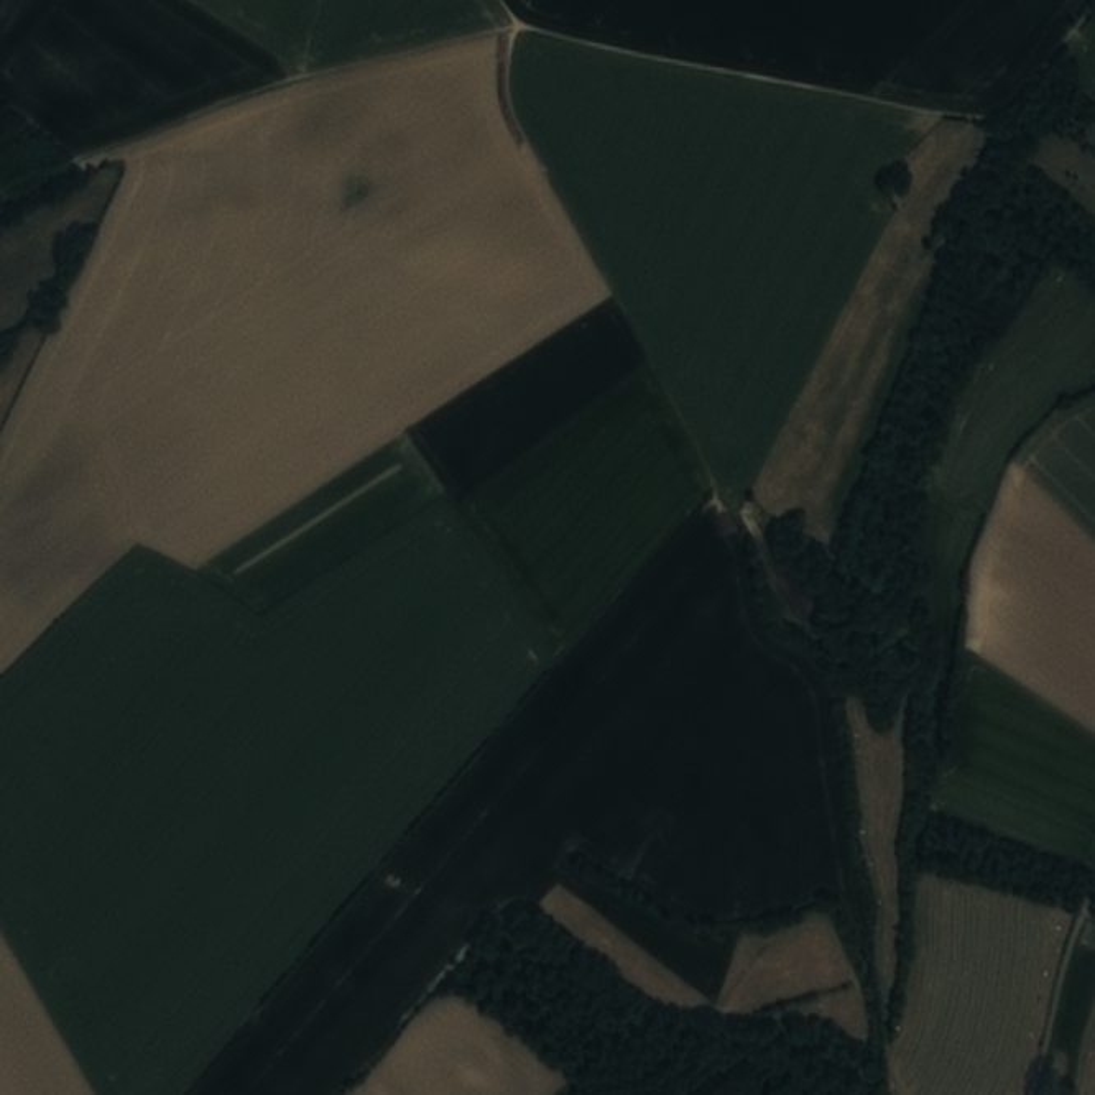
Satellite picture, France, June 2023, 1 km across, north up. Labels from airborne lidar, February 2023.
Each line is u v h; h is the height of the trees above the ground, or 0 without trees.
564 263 0
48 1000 0
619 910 0
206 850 0
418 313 0
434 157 0
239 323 0
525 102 0
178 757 0
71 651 0
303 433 0
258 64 0
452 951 0
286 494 0
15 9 0
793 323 0
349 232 0
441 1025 0
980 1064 0
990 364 0
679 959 0
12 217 19
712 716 0
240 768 0
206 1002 0
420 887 0
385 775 0
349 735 0
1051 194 7
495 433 0
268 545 0
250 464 0
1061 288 0
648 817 0
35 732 0
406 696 0
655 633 0
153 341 0
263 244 0
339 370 0
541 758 0
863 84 0
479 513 0
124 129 0
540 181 0
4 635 0
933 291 14
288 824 0
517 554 0
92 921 0
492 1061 0
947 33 0
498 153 0
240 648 0
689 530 0
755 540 8
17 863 0
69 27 0
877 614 29
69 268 19
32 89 0
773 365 0
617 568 0
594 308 0
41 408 0
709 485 0
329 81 0
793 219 0
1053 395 0
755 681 0
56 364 0
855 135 0
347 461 0
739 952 0
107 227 0
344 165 0
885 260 0
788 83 0
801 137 0
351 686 0
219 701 0
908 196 0
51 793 0
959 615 9
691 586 0
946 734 7
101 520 0
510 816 0
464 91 0
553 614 0
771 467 0
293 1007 0
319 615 0
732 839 0
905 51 0
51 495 0
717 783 0
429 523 0
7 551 0
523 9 0
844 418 0
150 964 0
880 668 26
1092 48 0
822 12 0
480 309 0
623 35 0
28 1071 0
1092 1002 0
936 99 0
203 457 0
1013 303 34
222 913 0
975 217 26
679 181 0
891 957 0
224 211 0
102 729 0
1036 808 0
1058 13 0
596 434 0
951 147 0
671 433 0
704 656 0
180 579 0
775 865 0
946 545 0
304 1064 0
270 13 0
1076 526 0
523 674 0
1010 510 0
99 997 0
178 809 0
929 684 19
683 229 0
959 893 0
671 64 0
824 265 0
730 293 0
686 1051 19
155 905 0
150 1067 0
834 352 0
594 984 24
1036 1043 0
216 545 0
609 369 0
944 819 16
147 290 0
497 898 0
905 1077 0
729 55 0
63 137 0
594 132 0
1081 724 0
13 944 0
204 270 0
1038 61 0
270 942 0
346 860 0
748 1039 21
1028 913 0
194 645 0
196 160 0
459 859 0
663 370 0
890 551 26
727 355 0
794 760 0
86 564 0
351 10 0
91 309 0
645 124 0
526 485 0
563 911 0
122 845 0
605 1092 26
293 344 0
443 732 0
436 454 0
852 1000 0
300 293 0
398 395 0
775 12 0
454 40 0
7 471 0
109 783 0
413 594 0
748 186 0
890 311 0
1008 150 21
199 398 0
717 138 0
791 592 0
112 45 0
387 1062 0
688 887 0
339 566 0
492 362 0
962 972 0
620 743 0
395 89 0
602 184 0
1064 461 0
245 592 0
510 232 0
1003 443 0
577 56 0
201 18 0
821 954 0
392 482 0
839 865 0
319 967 0
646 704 0
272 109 0
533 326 0
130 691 0
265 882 0
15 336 8
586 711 0
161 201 0
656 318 0
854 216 0
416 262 0
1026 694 0
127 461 0
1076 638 0
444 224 0
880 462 17
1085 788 0
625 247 0
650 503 0
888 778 0
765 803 0
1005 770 0
